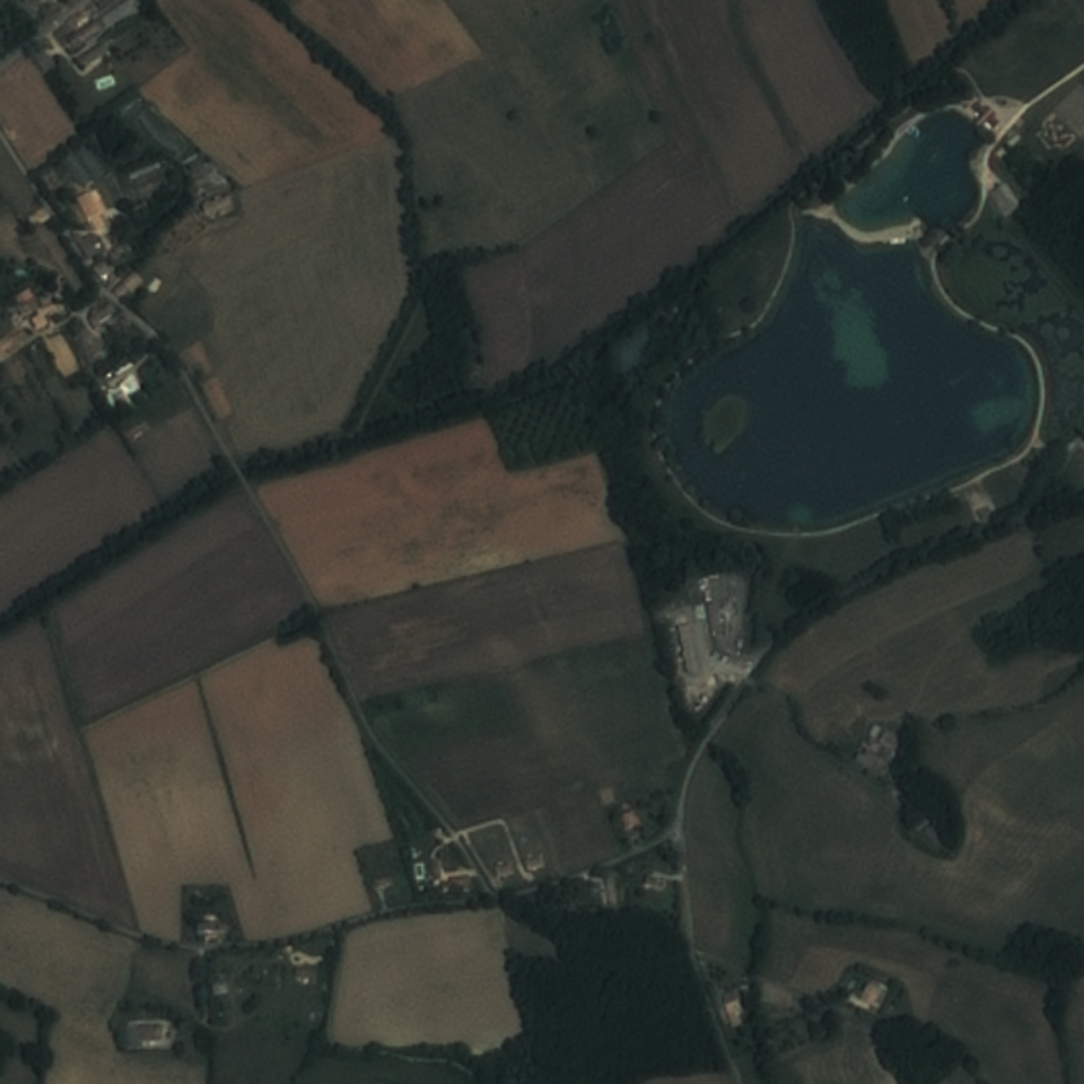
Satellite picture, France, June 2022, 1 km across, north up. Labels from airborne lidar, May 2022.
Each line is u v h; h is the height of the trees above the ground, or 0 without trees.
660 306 12
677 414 0
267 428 0
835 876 0
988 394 0
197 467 0
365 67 0
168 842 0
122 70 0
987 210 0
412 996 0
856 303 0
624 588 0
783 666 0
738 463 0
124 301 10
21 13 9
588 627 0
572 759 0
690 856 0
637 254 0
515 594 0
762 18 0
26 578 0
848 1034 0
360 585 0
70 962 0
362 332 0
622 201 0
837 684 0
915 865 0
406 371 12
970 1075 11
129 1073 0
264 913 0
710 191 0
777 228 0
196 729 0
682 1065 19
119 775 0
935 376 0
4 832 0
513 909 14
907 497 0
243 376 0
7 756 0
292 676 0
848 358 0
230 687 0
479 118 0
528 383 16
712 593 0
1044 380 0
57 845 0
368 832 0
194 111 0
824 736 0
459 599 0
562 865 0
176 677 0
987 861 0
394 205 0
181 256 0
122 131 13
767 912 0
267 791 0
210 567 0
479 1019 0
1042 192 15
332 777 0
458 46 0
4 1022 0
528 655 0
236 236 0
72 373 0
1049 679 0
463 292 14
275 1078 0
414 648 0
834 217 0
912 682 0
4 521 0
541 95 0
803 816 0
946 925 0
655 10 0
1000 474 0
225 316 0
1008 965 9
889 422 0
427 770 0
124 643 0
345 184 0
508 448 7
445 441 0
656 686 0
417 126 0
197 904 6
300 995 0
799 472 0
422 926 0
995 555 0
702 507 8
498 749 0
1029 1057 0
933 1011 0
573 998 19
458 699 0
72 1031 0
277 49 0
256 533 0
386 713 0
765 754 0
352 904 0
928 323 0
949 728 12
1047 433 0
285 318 0
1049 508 26
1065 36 0
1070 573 15
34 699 0
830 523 0
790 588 7
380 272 0
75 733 0
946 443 0
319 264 0
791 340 0
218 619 0
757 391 0
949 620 0
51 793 0
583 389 29
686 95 0
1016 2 29
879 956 0
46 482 0
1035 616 15
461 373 25
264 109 0
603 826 0
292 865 0
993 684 0
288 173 0
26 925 0
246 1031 0
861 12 17
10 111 0
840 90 0
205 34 0
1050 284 0
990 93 0
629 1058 15
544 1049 20
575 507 0
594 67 0
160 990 0
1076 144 0
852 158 9
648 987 16
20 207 0
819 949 0
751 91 0
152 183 0
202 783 0
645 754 0
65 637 0
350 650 0
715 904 0
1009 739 0
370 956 0
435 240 0
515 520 0
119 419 15
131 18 7
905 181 0
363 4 0
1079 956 20
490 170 0
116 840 0
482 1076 15
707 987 6
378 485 0
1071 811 0
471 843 0
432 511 0
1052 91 0
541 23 0
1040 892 0
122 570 0
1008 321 0
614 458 7
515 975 16
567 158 0
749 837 0
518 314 0
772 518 0
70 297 7
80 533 0
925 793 20
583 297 0
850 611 0
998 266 0
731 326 0
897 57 11
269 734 0
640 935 19
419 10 0
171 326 0
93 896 0
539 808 0
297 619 14
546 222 0
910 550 10
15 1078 0
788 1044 6
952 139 0
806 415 0
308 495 0
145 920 0
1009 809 0
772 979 0
